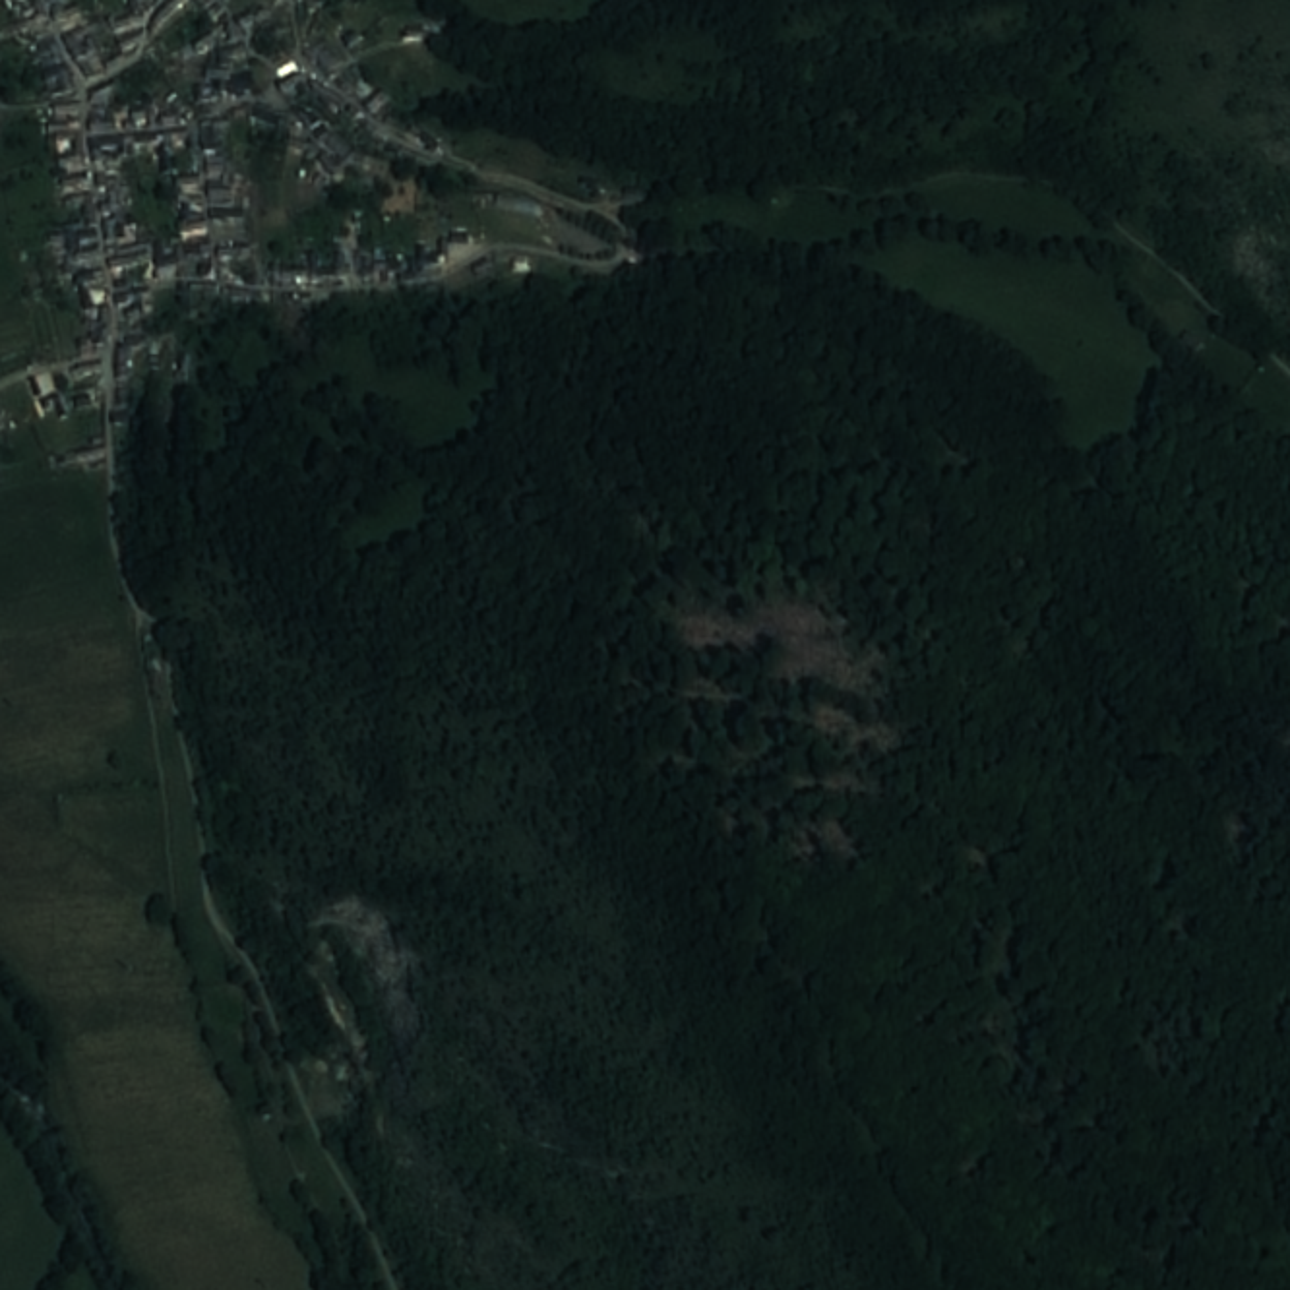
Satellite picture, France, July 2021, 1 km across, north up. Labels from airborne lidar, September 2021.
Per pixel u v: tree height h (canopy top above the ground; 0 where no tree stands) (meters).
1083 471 24
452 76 0
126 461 9
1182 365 26
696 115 16
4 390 0
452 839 6
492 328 10
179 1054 0
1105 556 22
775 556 18
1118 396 0
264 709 6
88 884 0
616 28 17
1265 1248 25
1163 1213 29
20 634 0
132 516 7
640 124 10
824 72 23
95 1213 21
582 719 13
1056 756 32
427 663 7
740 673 30
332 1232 15
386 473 23
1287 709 23
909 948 29
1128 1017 24
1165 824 26
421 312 7
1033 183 7
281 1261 0
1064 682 25
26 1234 0
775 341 12
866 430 26
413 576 16
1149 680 31
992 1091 22
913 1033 28
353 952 12
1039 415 24
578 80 10
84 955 0
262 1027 10
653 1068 9
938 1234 20
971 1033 28
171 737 0
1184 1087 23
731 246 32
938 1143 28
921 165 8
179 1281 0
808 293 19
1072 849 19
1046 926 25
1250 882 23
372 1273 12
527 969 6
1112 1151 28
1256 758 11
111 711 0
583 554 18
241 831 13
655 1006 6
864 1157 6
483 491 16
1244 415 16
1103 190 6
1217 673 27
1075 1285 21
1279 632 29
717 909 7
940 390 29
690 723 27
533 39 26
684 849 15
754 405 21
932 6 9
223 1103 0
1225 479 32
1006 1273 21
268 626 9
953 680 19
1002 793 25
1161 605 18
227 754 12
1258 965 18
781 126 27
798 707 29
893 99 15
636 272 20
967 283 0
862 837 24
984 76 19
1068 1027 22
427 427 0
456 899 11
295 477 16
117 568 0
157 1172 0
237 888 14
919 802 29
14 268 0
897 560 30
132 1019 0
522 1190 8
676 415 16
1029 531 27
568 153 31
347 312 8
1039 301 0
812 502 26
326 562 16
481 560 16
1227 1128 21
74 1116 0
